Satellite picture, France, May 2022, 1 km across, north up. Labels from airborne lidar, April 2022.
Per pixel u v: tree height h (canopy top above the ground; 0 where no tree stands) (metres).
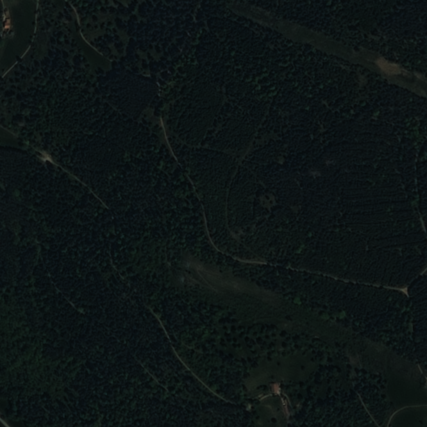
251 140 6
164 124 0
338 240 10
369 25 11
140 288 35
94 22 8
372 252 11
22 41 0
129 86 28
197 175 9
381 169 18
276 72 15
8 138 0
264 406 0
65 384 30
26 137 18
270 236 8
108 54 24
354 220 15
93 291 31
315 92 17
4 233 33
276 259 11
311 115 17
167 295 15
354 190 19
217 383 15
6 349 8
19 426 0
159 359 31
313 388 7
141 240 16
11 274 34
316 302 10
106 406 21
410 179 22
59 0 0
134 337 35
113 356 20
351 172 15
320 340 12
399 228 12
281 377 0
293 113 11
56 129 7
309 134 15
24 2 0
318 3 23
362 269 10
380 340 17
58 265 22
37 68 7
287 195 19
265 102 7
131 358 32
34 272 22
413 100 20
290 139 13
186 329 23
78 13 9
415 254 14
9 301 18
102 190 25
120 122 21
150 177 34
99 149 26
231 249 10
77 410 25
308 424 14
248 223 8
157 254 11
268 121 7
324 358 17
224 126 8
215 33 14
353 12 11
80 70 18
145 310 39
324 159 18
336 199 23
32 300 19
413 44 10
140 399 25
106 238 33
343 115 14
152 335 36
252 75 7
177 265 10
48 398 33
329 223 17
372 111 25
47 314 22
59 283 21
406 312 13
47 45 0
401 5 27
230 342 17
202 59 21
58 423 27
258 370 0
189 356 10
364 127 16
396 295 10
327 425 11
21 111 8
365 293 11
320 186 20
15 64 0
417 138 21
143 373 22
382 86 16
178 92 6
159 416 21
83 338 31
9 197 29
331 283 12
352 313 15
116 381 27
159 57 0
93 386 27
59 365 23
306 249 13
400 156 19
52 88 8
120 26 31
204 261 7
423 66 9
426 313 16
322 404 23
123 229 18
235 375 27
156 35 24
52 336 21
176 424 25
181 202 31
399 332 17
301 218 8
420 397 0
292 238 7
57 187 22
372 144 17
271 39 18
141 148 14
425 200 19
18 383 24
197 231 15
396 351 20
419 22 24
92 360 30
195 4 17
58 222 24
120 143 22
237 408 24
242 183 10
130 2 0
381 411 10
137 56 18
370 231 12
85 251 9
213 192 7
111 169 25
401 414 0
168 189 33
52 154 12
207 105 9
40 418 28
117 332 31
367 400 15
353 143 16
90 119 27
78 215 15
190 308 7
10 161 22
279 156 9
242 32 18
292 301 18
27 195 25
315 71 15
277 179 23
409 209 13
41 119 12
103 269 14
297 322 7
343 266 11
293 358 0
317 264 13
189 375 12
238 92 7
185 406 31
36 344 20
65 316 21
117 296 35
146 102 27
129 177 35
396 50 9
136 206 34
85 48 0
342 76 8
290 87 10
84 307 20
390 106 24
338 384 0
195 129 10
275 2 6
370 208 16
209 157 12
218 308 18
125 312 12
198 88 12
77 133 12
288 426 0
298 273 12
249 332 12
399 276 8
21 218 27
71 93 9
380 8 10
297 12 7
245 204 7
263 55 12
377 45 6
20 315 18
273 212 15
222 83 11
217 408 24
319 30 10
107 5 8
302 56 10
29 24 0
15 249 30
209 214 8
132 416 23
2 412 0
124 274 13
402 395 0
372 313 17
